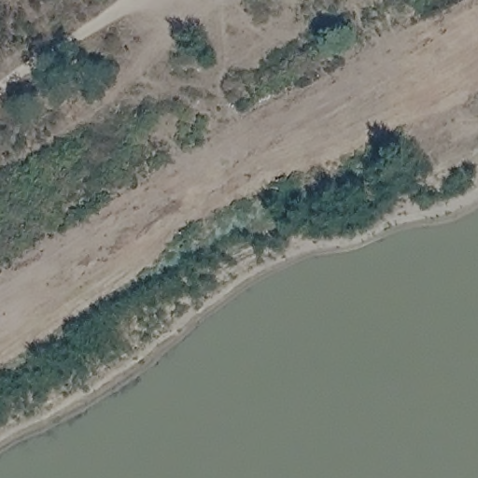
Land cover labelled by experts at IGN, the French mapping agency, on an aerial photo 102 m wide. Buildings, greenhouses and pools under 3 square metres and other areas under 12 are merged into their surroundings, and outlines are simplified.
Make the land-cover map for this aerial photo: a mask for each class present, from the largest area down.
<instances>
[{"label":"water","instance_id":"1","mask_svg":"<svg viewBox=\"0 0 478 478\"><path fill-rule=\"evenodd\" d=\"M0 478H478V207L469 215H463L454 222L407 228L392 235H385L370 245L347 252L304 254L293 263H284L278 269L256 276L252 284L239 289L237 293H232L211 312H205L202 321L194 323V327L183 338H179L153 366H149L146 372L140 373L131 383L95 401L84 413H78L73 418L52 426L45 433L21 439L0 452Z\"/></svg>","mask_w":478,"mask_h":478},{"label":"plowed land","instance_id":"2","mask_svg":"<svg viewBox=\"0 0 478 478\"><path fill-rule=\"evenodd\" d=\"M478 93V0H454L450 6L444 7L443 11H437L433 17L416 22L411 28L396 26L394 30L372 37L362 45L357 43H353L345 50L344 56V65L336 71L325 73L323 77L310 82L304 88L295 86L280 93L265 95L254 105L248 106V110L239 112L235 114L237 123H228L226 129L220 133L222 142L213 144L211 140H207L204 144L185 151L172 161L153 170L148 177L140 179L136 189H121L119 198L110 200L97 213L86 217L84 222H78L75 228L56 233L52 239H41L34 248L24 250L22 256L11 261L9 267L2 265L0 273V368H4L7 362L15 360L28 349L32 342L47 340L50 334H54L62 327L63 323V319L78 316L86 308H90L93 302L129 286L138 278L142 269L153 267V261L161 256L166 243H170L177 230L183 228L190 220L209 217L215 209L226 207L233 200L258 194L260 190L267 189V185L276 176L302 172L312 166H321L325 161H338L345 155L362 153L368 146V129L372 125H383L390 131L396 129L400 125L403 127L407 123H413L416 119L441 114L454 105H463L469 95Z\"/></svg>","mask_w":478,"mask_h":478},{"label":"brushwood","instance_id":"3","mask_svg":"<svg viewBox=\"0 0 478 478\"><path fill-rule=\"evenodd\" d=\"M112 0H0V63L6 56L13 54V50L19 45L28 47L26 52H22L24 63L34 60L41 54L56 49L65 39H75L73 34L77 32L78 26L95 19ZM245 13L252 15V22L258 24H265L269 17H280L286 0H239ZM299 6L295 7L293 22H304L308 30L288 41L284 47L271 50L263 60H260V65L256 69L230 67L220 80V90L224 97L235 105L239 112L248 110V106L254 105L265 95L261 91V77L267 73H278L280 65L286 62L289 54L306 52L310 47H316L319 30L347 26L351 30V35H357V43L362 45L372 37L394 30L396 26L411 28L416 22L433 17L437 11H443L444 7L450 6L454 0H297ZM344 65V56H334V60H330L327 67L306 71L299 80H295V86L304 88L310 82L323 77L325 73L336 71ZM463 110L478 118V93L469 95L463 105ZM162 114L177 116L176 142L179 148L185 151L204 144V129L207 125L204 114H198L177 97L159 101L146 97L138 106H121L112 118H106L103 123H82L71 133L54 138L52 144L28 153L22 161L0 166V273L2 265L9 267L11 261L22 256L24 250L34 248L41 239H52L56 233L75 228L78 222H84L86 217L97 213L110 200L119 198L121 189H136L140 179L148 177L153 170L172 161L166 142L155 140L151 134ZM403 136L396 129L390 131L383 125H372L368 129V146L362 153L345 155L338 161H325L321 166H312L302 172L276 176L267 185V189L260 190L258 194L233 200L226 207L215 209L209 217L190 220L183 228L177 230L170 243H166L161 256L153 261V267L142 269L138 278L129 286L93 302L90 308H86L78 316L63 319V323L65 327H71L75 323H84L97 312L112 306L114 302L131 297L134 291L151 284L148 274L161 273L162 267L176 265L181 252L209 246L220 235L232 232L233 228H246L248 232L256 233L271 232L274 220L269 213H265L263 207L273 196V190H284L289 194L293 190L314 185L317 174L323 170L329 176H336L342 170L360 174L362 166L370 168L379 161V148L398 142ZM204 299L172 297L168 304H174V316L181 317L187 310L200 308ZM166 304L157 302L155 306H134L133 312L127 310L119 321V332L123 338V342L119 344V351H106L103 360H99L95 353H90L86 357L88 375L82 370H73L62 385L54 390L56 394L67 398L77 390H88V379L97 375V368L119 360L121 353L142 351L151 340L153 330L159 329V325H168L164 317ZM54 344H69V338L62 336V327L54 334H50L47 340L32 342L28 349L32 353L37 349H50ZM28 407H24L22 411H9L7 420L11 418L22 422L26 416L30 418L41 413V403L35 400L34 394L28 392Z\"/></svg>","mask_w":478,"mask_h":478},{"label":"deciduous trees","instance_id":"4","mask_svg":"<svg viewBox=\"0 0 478 478\"><path fill-rule=\"evenodd\" d=\"M168 24L176 47L170 52L174 58H181L183 63L196 60L202 67L215 65L217 56L213 47L209 45L202 24L198 19L181 21L172 17ZM353 43H357V35H351V30L347 26L319 30L316 47H310L306 52L289 54L286 62L280 65L278 73H267L261 77V91L265 95L280 93L295 86V80H299L306 71L327 67L330 60H334V56H344L345 50ZM35 67L30 71V75L19 82H9L6 91L0 95V105L9 112L7 119L22 125H30V114L37 105L35 93H41L49 97L52 103L60 105L67 97L78 93H82L86 101L101 99L105 91L116 82L118 62L97 52H88L80 41L75 39H65L56 49L41 54L34 60ZM431 172L428 155L418 148L415 138L403 136L398 142L379 148V161L370 168L362 166L360 174L342 170L336 176H329L323 170L317 174L314 185L293 190L289 194L284 190H273V196L263 207L265 213H269L274 220L271 232L256 233L248 232L246 228H233L232 232L220 235L209 246L181 252L176 265L162 267L161 273L148 274L151 284L134 291L131 297L114 302L112 306L97 312L84 323H75L71 327H65L63 323L62 327V336L69 338V344H54L50 349H37L32 353L28 349L15 360L7 362L4 368H0V426H4L7 420L9 411H22L24 407H28V392L34 394L35 400L41 403L47 400L50 390H54L62 385L73 370H82L88 375L86 357L90 353H95L99 360H103L106 351H119V344L123 342V338L119 332V321L127 310L133 312L134 306H155L157 302L166 304H168L172 297L204 299H207L211 291L217 289L218 265H235L232 256L226 254L228 246L245 243L246 246L254 248V254H261L263 248L284 250L293 235H302L308 239L351 237L357 232L368 230L379 218H383V215L392 213L394 205L398 202L411 200L420 209H428L435 202H443L459 194H465L472 187V177L476 172L474 164L463 162L450 168L448 176L443 179L441 189H433L426 183V177Z\"/></svg>","mask_w":478,"mask_h":478},{"label":"herbaceous vegetation","instance_id":"5","mask_svg":"<svg viewBox=\"0 0 478 478\"><path fill-rule=\"evenodd\" d=\"M299 6L297 0H286L280 17H269L265 24H258L261 30H265V37L261 39L260 34H254L246 28L218 24V15L213 11L202 24L209 45L213 47L217 56L215 65L202 67L196 60L183 63L181 58H174L170 52L161 62L153 63L149 71L136 75L131 63L140 52L142 41L140 35L131 30L129 24L121 17L103 30L93 32L80 41L88 52H97L118 62L116 82L105 91L101 99L86 101L82 93H78L67 97L60 105L52 103L49 97L41 93H35L37 105L30 114V125H22L7 119L9 112L0 105V166L22 161L28 153L52 144L54 138L71 133L82 123H103L106 118H112L121 106H138L146 97L159 101L177 97L198 114H204L207 125L204 129V144L207 140H211L213 144L222 142L220 133L226 129L228 123H237L235 114L239 112L235 105L224 97L220 90V80L230 67L256 69L260 65V60H263L271 50L284 47L288 41L308 30L304 22H293L295 7ZM28 47L19 45L13 50V54L6 56L0 63V75L7 73L9 69H17L24 63L22 52H26ZM403 136L415 138L418 148L428 155L431 172L426 177V183L433 189H441L443 179L448 176L450 168L463 162L474 164L478 162V118L463 110V105H454L441 114L416 119L413 123H407L403 127L400 125L396 129ZM177 116L162 114L151 134L155 140L166 142L172 161L185 151L179 148L176 142Z\"/></svg>","mask_w":478,"mask_h":478},{"label":"bare soil","instance_id":"6","mask_svg":"<svg viewBox=\"0 0 478 478\"><path fill-rule=\"evenodd\" d=\"M476 172L472 177V187L465 194H459L443 202H435L428 209H420L411 200L398 202L394 205L392 213L383 215V218H379L368 230L357 232L351 237L308 239L302 235H293L284 250L263 248L261 254H254V248L246 246L245 243L228 246L226 254L232 256L235 265H218L217 289L211 291L207 299H204L200 308L187 310L181 317L174 316V304H166L164 317L168 325H159V329L153 330L151 340L142 351L121 353L119 360L97 368V375L88 379V390H77L67 398L56 394L54 390H50L47 400L41 403V413L30 418L26 416L22 422L11 418L7 420L4 426H0V452L21 439L45 433L52 426L73 418L78 413H84L95 401L131 383L140 373L146 372L149 366H153L179 338H183L194 327V323L202 321L205 312H211L232 293H237L239 289L252 284L256 276L278 269L284 263H293L304 254L347 252L370 245L385 235H392L407 228L454 222L463 215H469L478 207V162L474 164Z\"/></svg>","mask_w":478,"mask_h":478},{"label":"pervious surface","instance_id":"7","mask_svg":"<svg viewBox=\"0 0 478 478\"><path fill-rule=\"evenodd\" d=\"M213 11L218 15V24L246 28L254 34H260L261 39L265 37V30H261L258 24L252 22V15L245 13L239 0H112L95 19L78 26L77 32L73 34L75 39L80 41L93 32L103 30L121 17L129 24L131 30L140 35L142 41L140 52L131 63L136 75L149 71L153 63L161 62L170 52L176 47L168 24L172 17L181 21L198 19L202 24ZM35 67L34 60L24 63L17 69H9L7 73L0 75V95L6 91L9 82H19L30 75V71Z\"/></svg>","mask_w":478,"mask_h":478}]
</instances>
